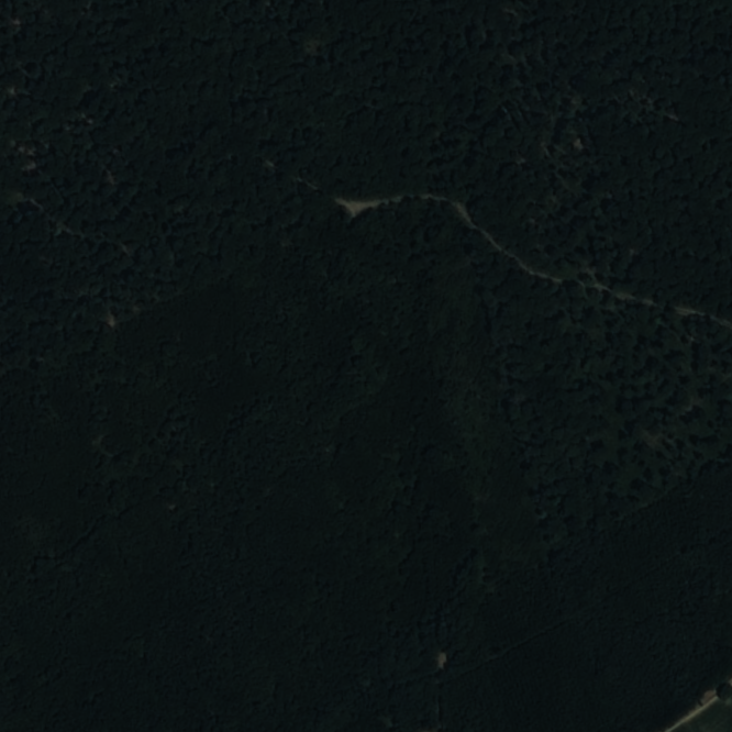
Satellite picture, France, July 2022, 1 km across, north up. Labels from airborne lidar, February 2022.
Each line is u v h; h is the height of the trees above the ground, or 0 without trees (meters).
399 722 26
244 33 28
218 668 22
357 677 25
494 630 7
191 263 25
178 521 10
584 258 31
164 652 13
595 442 0
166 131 27
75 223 29
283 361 10
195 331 6
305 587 18
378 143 24
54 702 19
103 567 17
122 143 29
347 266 20
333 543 25
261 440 18
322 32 21
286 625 20
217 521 20
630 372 27
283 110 22
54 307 26
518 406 26
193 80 30
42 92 28
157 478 10
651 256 29
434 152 28
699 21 25
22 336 25
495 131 29
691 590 11
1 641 20
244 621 20
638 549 12
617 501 29
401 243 13
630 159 27
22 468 6
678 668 14
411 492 12
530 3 27
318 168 27
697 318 11
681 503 8
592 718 8
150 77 27
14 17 24
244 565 13
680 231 25
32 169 0
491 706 8
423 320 19
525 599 7
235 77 28
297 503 17
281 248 24
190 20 24
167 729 20
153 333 8
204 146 30
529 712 7
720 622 14
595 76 29
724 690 16
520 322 24
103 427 17
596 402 26
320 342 12
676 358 29
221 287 7
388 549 15
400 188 24
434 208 21
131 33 27
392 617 11
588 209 25
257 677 22
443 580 10
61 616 10
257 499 19
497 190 21
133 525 14
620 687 16
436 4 26
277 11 26
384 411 12
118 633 14
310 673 15
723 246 28
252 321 11
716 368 29
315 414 20
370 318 20
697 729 0
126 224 28
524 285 28
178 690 18
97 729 24
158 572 19
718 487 15
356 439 17
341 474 15
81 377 7
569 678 8
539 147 26
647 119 26
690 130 30
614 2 20
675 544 7
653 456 25
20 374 10
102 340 13
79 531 6
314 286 9
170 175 28
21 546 7
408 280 21
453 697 11
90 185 27
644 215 27
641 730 17
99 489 16
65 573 19
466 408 8
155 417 6
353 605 16
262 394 12
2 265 29
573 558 27
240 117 25
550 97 22
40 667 13
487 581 12
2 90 28
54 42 29
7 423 7
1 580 16
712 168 28
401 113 27
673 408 31
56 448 6
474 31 25
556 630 10
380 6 24
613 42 28
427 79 27
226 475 17
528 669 6
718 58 35
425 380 7
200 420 11
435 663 23
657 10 29
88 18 25
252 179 20
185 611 17
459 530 7
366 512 11
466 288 0
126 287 25
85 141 28
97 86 24
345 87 26
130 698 20
